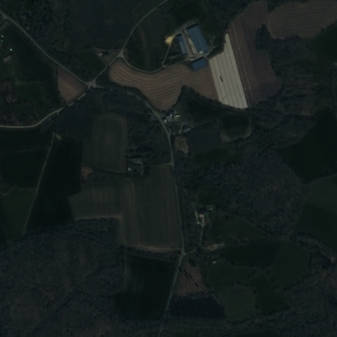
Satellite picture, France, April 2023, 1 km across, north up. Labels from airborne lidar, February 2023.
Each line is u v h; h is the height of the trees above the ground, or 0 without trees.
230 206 13
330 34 0
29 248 16
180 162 13
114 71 0
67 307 16
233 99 0
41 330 16
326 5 0
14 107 0
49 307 14
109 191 0
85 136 8
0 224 0
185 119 0
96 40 13
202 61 0
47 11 7
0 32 0
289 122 16
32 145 0
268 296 0
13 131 0
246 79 0
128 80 0
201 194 0
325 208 0
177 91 0
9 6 0
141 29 0
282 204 23
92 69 0
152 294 0
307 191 17
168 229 0
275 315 13
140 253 11
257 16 0
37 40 9
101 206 0
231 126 0
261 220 10
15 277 16
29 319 13
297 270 0
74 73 0
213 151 0
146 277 0
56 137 0
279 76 16
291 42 22
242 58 0
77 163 0
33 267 18
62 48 0
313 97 8
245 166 18
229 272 0
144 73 0
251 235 0
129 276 0
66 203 0
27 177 0
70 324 13
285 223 21
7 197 0
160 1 0
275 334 0
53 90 0
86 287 11
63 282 14
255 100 0
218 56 0
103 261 8
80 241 16
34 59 0
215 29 0
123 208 0
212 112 0
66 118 10
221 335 9
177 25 0
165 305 0
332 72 6
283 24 0
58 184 0
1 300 23
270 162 18
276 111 10
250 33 0
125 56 0
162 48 0
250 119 0
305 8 0
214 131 9
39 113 0
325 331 17
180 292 0
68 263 13
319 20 0
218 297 12
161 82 0
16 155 0
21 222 0
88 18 10
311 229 0
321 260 7
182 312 15
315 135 0
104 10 10
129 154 11
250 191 20
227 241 0
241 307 0
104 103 11
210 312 14
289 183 19
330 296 15
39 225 0
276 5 13
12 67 0
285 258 0
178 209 0
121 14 11
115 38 10
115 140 0
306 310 12
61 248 10
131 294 0
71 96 0
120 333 16
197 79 0
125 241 0
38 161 0
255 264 12
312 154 0
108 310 13
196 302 16
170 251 0
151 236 0
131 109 13
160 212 0
